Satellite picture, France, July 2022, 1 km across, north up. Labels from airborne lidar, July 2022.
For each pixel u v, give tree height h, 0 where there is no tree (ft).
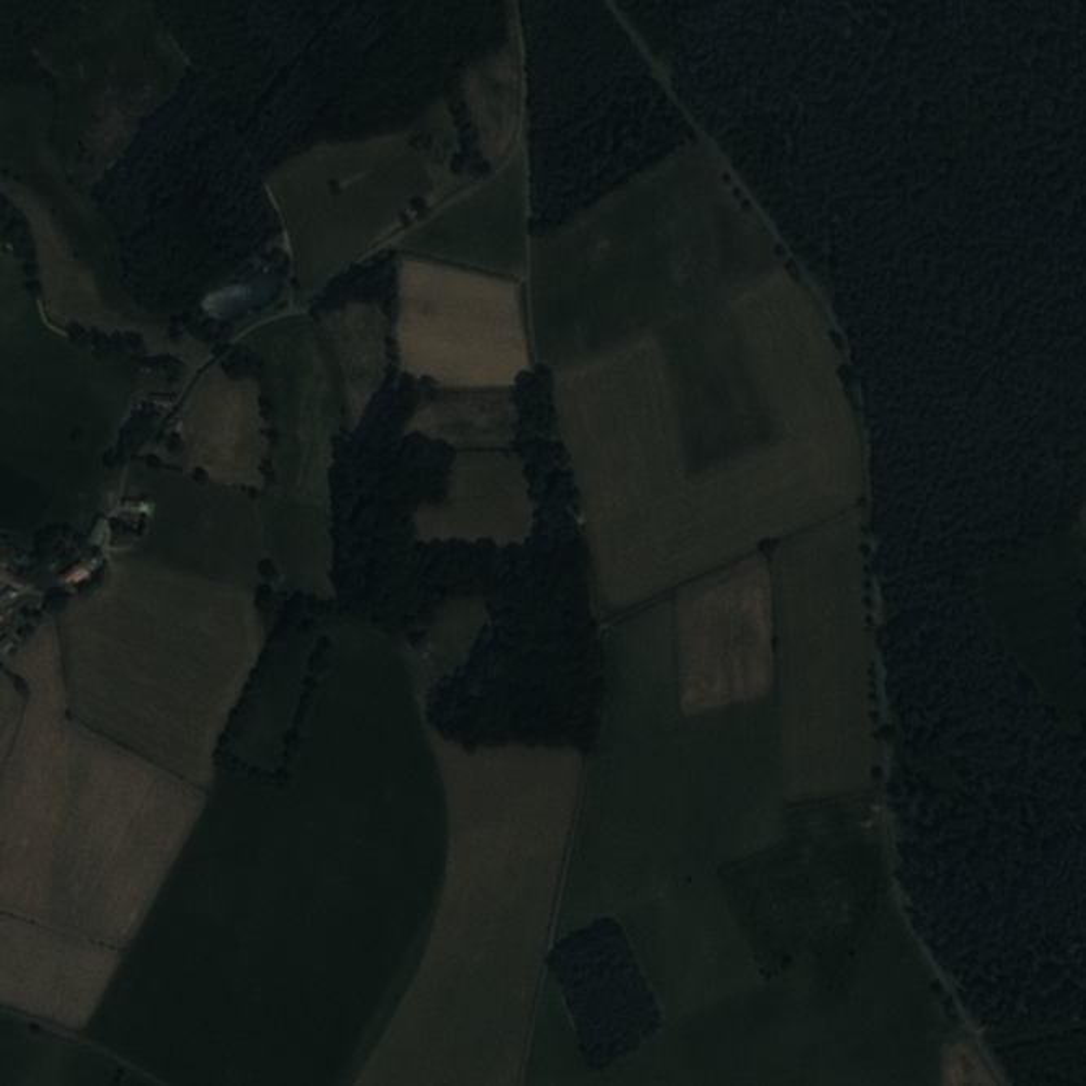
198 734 0
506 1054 0
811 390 0
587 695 76
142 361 54
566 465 45
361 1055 0
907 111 64
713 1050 0
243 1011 0
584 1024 68
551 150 59
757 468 0
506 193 0
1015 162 63
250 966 0
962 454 78
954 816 62
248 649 0
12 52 86
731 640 0
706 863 0
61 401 0
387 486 83
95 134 0
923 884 96
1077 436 71
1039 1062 22
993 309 87
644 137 41
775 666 0
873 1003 0
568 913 0
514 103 0
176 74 0
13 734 0
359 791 0
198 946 0
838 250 61
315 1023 0
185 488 0
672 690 0
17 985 0
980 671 87
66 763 0
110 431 0
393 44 98
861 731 0
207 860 0
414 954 0
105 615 0
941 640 91
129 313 0
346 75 95
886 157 41
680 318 0
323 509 0
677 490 0
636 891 0
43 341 0
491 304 0
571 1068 0
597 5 42
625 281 0
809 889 0
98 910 0
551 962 50
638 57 42
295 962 0
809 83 56
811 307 0
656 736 0
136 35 0
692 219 0
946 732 60
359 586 75
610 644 0
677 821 0
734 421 0
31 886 0
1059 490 75
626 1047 58
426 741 0
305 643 0
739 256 0
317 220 0
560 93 54
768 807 0
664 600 0
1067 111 92
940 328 53
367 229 0
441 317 0
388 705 0
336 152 0
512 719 39
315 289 0
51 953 0
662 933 0
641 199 0
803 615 0
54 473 0
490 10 87
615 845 0
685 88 69
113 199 77
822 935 0
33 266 56
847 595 0
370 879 0
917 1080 0
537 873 0
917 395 80
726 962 0
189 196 73
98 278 0
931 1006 0
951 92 83
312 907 0
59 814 0
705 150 0
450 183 0
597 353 0
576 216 31
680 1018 0
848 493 0
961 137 83
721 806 0
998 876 82
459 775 0
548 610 97
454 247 0
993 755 60
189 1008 0
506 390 0
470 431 0
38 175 0
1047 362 62
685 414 0
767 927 0
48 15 84
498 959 0
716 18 73
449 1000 0
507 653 105
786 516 0
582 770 0
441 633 0
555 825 0
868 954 0
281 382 0
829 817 0
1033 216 96
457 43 94
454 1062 0
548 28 43
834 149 56
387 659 0
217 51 79
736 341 0
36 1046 0
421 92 80
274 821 0
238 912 0
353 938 0
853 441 0
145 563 0
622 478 0
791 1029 0
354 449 82
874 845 0
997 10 109
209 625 0
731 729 0
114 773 0
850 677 0
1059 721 93
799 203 53
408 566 77
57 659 0
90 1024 0
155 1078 0
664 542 0
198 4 80
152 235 69
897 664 85
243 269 20
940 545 90
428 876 0
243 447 0
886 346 76
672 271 0
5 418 0
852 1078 0
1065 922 79
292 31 84
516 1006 0
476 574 89
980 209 70
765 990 0
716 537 0
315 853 0
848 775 0
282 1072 0
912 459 77
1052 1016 77
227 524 0
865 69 74
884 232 62
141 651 0
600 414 0
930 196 93
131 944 0
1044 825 54
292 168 0
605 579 0
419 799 0
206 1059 0
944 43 95
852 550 0
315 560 0
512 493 0
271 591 47
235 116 61
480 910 0
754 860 0
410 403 94
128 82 0
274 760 0
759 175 29
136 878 0
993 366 78
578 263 0
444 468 77
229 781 0
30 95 0
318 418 0
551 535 81
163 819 0
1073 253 92
